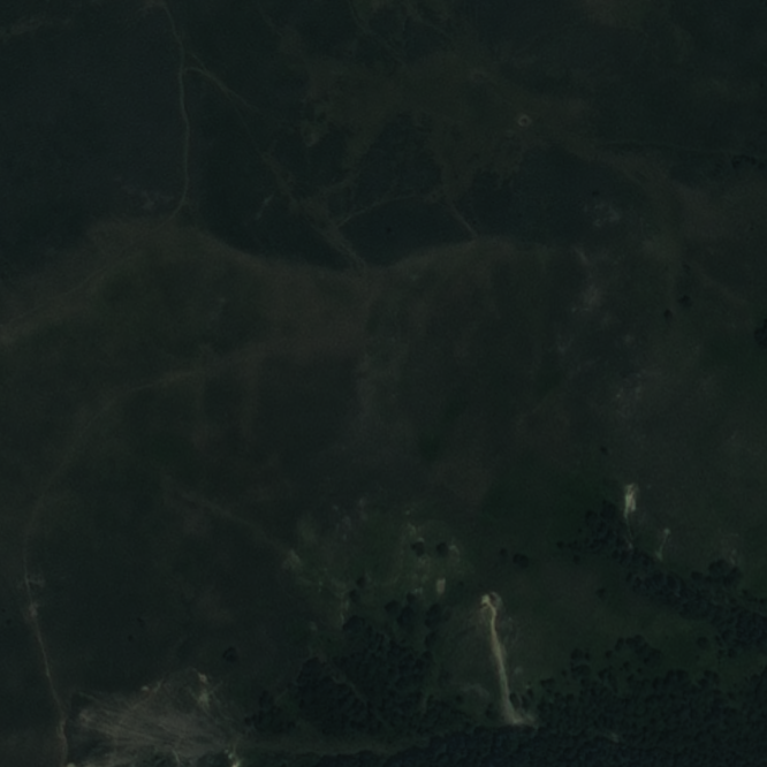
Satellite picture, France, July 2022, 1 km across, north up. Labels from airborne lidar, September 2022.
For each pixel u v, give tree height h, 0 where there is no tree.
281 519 0
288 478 0
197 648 0
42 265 0
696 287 0
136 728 0
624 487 0
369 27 0
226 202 0
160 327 0
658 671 0
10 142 0
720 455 0
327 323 0
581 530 7
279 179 0
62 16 0
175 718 0
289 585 0
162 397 0
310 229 0
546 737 17
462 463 0
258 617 0
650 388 0
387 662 27
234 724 0
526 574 0
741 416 0
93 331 0
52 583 0
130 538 0
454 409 0
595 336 0
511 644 0
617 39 0
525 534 0
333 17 0
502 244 0
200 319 0
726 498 0
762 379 0
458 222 0
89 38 0
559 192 0
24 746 0
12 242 0
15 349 0
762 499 0
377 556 0
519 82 0
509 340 0
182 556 0
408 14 0
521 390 0
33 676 0
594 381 0
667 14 0
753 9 0
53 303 0
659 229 0
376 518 0
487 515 0
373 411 0
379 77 0
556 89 0
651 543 0
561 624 0
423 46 0
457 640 0
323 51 0
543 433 0
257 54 0
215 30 0
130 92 0
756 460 0
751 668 0
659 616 0
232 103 0
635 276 0
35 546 0
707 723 17
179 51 0
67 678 0
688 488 0
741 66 0
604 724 15
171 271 0
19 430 0
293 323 0
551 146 0
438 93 0
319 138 0
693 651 0
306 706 16
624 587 0
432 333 0
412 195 0
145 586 0
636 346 0
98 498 0
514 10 0
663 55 0
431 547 0
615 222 0
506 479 0
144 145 0
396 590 0
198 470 0
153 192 0
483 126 0
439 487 0
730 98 0
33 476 0
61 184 0
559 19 0
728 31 0
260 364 0
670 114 0
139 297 0
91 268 0
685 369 0
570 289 0
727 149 0
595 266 0
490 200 0
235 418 0
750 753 25
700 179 0
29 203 0
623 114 0
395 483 0
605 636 0
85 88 0
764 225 0
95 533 0
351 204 0
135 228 0
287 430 0
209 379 0
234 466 0
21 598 0
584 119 0
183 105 0
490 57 0
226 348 0
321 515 0
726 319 0
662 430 0
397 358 0
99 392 0
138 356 0
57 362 0
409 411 0
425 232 0
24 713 0
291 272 0
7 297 0
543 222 0
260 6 0
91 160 0
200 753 0
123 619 0
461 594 0
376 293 0
